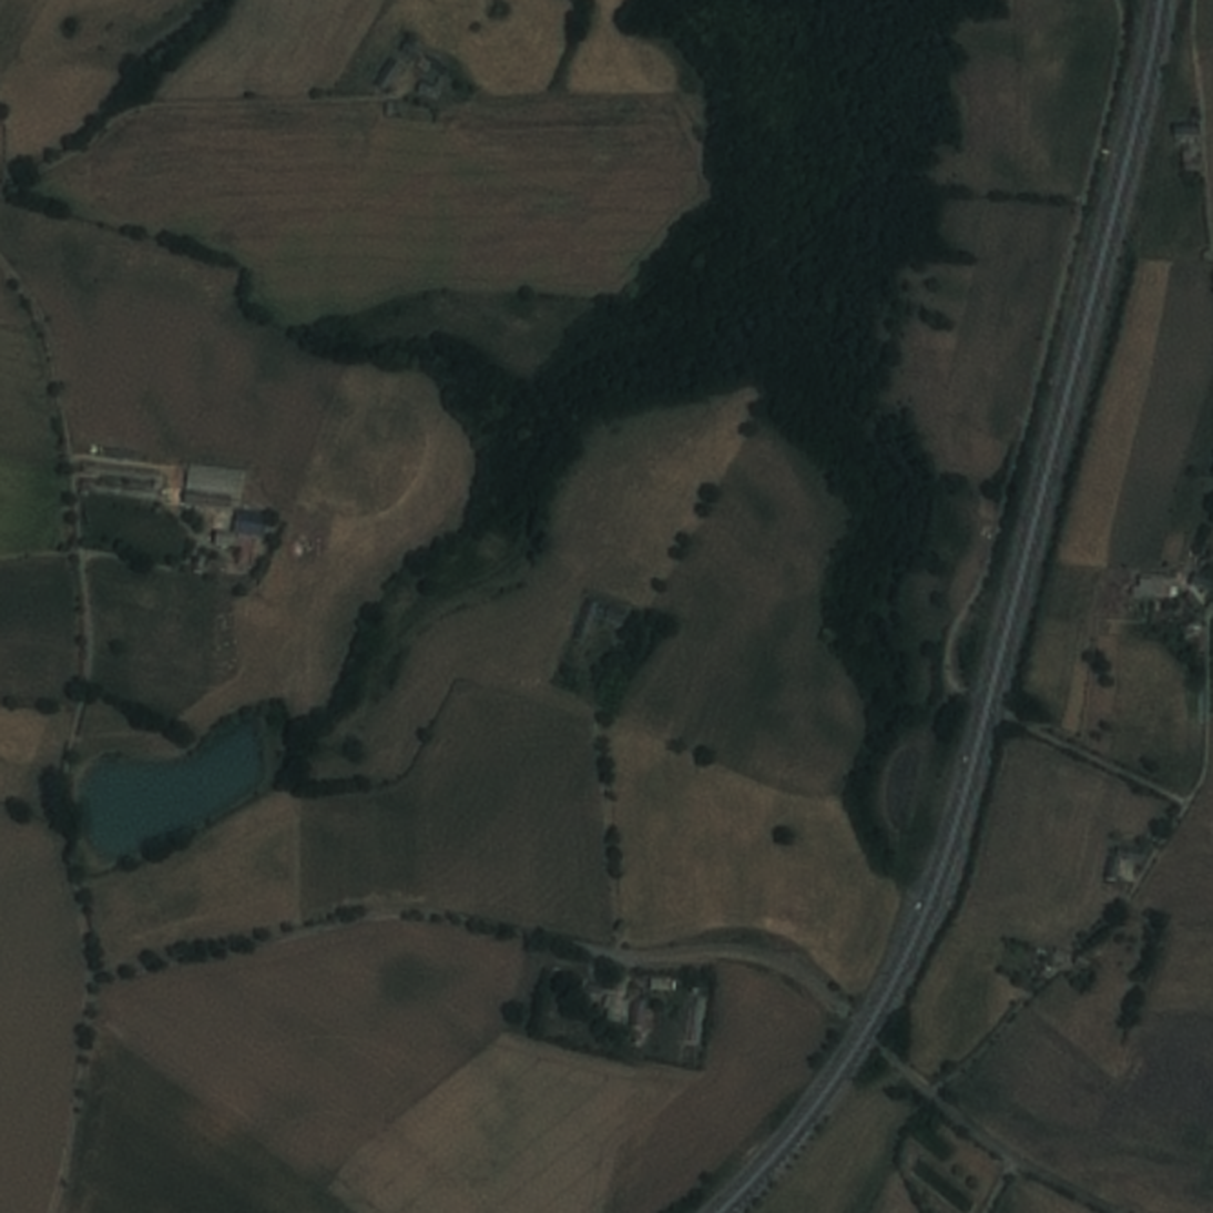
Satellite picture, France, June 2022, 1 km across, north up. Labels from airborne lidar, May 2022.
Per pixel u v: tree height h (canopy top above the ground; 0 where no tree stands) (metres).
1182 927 0
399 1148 0
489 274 0
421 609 0
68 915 0
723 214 10
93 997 11
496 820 0
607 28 0
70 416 0
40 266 0
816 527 0
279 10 0
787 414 17
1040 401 8
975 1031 0
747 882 0
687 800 0
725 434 0
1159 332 0
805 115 11
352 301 0
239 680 0
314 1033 0
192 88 0
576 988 15
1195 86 0
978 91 0
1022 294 0
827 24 24
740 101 13
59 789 31
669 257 15
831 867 0
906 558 17
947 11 12
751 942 0
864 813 7
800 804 0
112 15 0
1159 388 0
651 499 0
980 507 0
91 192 0
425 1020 0
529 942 12
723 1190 0
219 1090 0
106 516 0
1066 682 0
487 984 0
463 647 0
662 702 0
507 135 0
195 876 0
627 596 0
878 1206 0
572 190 0
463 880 0
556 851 0
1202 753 0
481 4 0
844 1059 0
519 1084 0
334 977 0
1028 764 0
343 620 0
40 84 0
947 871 0
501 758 0
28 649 0
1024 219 0
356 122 0
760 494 0
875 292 10
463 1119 0
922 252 22
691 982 10
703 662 0
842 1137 0
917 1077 0
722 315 21
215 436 0
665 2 20
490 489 16
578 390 22
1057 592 0
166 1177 0
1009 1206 0
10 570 0
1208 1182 0
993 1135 0
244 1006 0
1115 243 0
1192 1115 0
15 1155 0
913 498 32
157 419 0
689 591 0
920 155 10
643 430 0
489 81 0
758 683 0
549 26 0
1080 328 0
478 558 0
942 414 0
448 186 0
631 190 0
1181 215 0
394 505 0
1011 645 0
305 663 0
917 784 0
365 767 0
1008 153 0
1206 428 0
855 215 22
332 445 0
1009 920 0
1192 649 11
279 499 0
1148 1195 0
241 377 0
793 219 14
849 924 0
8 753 0
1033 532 0
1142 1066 0
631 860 0
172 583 0
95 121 14
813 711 0
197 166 0
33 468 0
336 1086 0
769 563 0
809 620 0
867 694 6
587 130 0
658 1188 0
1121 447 0
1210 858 0
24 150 0
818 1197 0
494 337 0
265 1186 0
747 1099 0
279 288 0
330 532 0
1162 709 0
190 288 0
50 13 0
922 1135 0
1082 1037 0
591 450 0
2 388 0
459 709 0
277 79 0
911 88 8
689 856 0
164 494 0
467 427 12
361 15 0
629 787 0
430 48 0
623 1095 0
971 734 0
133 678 0
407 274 0
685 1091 0
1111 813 0
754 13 15
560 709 0
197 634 0
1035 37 0
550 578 0
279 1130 0
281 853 0
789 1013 0
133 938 0
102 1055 0
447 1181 0
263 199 0
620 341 11
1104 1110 0
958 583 0
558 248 0
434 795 0
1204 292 0
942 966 0
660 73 0
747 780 0
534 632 0
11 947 0
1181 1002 0
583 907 0
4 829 0
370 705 0
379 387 0
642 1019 0
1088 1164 0
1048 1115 0
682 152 0
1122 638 0
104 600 0
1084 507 0
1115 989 0
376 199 0
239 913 0
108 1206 0
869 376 11
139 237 15
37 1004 0
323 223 0
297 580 0
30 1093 0
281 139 0
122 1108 0
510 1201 0
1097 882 0
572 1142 0
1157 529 0
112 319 0
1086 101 0
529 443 19
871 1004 0
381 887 0
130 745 0
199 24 16
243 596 6
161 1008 0
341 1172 0
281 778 17
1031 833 0
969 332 0
